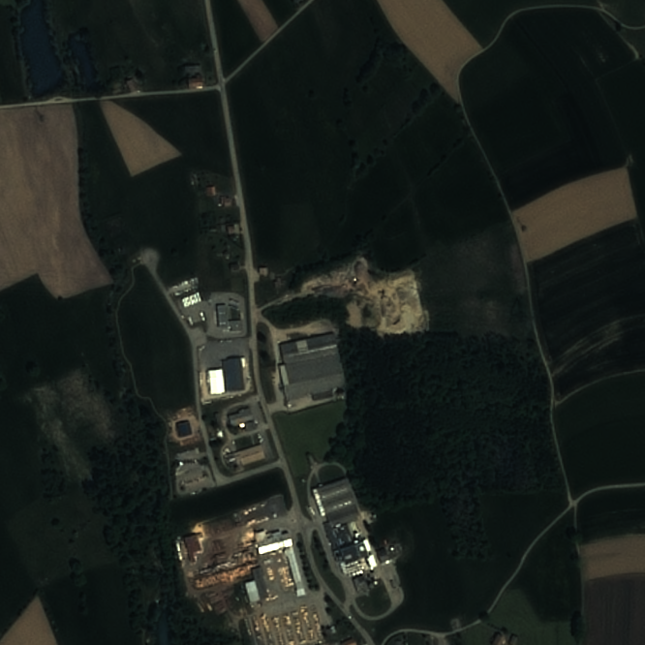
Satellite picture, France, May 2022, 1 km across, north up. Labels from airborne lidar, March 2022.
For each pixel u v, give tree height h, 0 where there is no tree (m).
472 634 0
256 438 0
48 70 0
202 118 0
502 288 0
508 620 0
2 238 0
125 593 0
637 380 0
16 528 0
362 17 0
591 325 0
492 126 0
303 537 0
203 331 0
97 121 0
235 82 0
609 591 0
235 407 0
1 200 0
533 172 0
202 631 13
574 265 0
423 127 0
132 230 0
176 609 16
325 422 0
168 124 0
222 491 0
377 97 0
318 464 0
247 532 0
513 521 0
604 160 0
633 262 0
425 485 14
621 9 0
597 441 0
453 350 13
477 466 21
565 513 0
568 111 0
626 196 0
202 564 0
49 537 0
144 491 8
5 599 0
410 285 0
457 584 0
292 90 0
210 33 0
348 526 0
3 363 0
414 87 0
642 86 0
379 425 16
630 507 0
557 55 0
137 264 0
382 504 15
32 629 0
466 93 0
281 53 0
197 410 0
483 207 0
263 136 0
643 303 0
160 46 0
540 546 0
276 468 0
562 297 0
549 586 0
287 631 0
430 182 0
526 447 17
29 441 0
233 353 0
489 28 0
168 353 0
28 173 0
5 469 0
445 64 0
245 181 0
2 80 0
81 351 0
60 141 0
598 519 0
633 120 0
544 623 0
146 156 0
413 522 0
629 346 0
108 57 0
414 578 0
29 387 0
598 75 0
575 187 0
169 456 0
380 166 0
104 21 0
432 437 23
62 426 0
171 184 0
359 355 14
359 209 0
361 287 0
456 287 0
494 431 18
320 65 0
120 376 15
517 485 18
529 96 0
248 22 0
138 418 8
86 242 0
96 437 0
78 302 0
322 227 0
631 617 0
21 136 0
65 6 0
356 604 0
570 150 0
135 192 0
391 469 16
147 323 0
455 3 0
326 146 0
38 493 0
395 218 0
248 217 0
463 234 0
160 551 7
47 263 0
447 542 0
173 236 0
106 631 0
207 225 7
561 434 0
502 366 24
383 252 0
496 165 0
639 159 0
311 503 0
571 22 0
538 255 0
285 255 0
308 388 0
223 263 0
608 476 0
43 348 0
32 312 0
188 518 0
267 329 0
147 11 0
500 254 0
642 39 0
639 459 0
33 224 0
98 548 0
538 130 0
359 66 0
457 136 0
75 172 0
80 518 0
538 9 0
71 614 0
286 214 0
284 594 0
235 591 0
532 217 0
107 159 0
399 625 0
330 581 0
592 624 0
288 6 0
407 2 0
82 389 0
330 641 0
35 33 0
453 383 10
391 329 0
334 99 0
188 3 0
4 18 0
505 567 0
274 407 0
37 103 0
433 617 0
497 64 0
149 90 0
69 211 0
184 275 0
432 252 0
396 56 22
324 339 0
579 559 17
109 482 13
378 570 0
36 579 0
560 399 0
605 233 0
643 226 0
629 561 0
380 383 11
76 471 0
